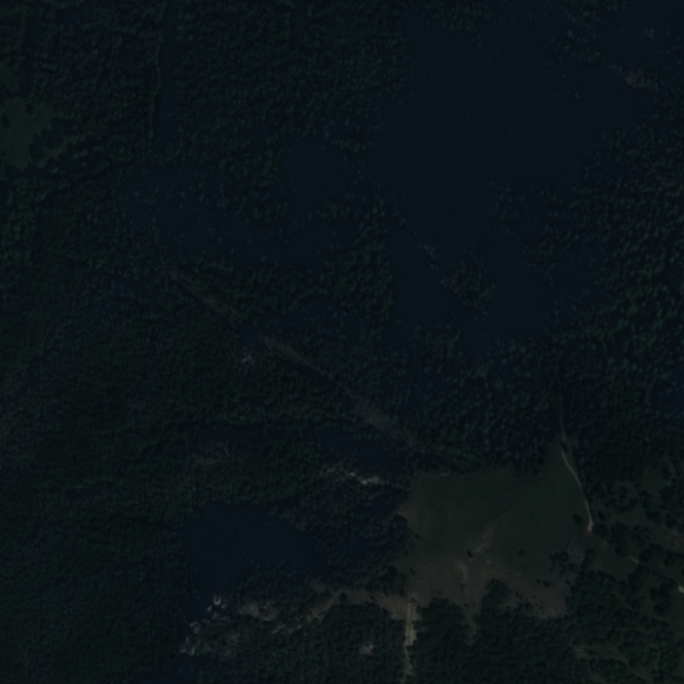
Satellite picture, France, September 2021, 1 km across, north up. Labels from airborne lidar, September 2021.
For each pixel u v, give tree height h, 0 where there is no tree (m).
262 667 11
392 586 19
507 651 15
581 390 22
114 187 19
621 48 16
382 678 9
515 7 15
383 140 15
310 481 10
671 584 10
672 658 12
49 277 16
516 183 19
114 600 18
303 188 18
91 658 15
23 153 0
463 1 20
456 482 0
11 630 17
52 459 22
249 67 22
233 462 10
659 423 21
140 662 10
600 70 10
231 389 18
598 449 27
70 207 20
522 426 14
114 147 18
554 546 0
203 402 16
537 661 9
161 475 16
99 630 17
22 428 17
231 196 26
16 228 19
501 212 14
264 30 27
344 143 35
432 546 0
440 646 20
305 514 12
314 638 11
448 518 0
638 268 31
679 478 7
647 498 15
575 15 12
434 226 16
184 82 24
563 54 20
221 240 26
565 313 19
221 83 22
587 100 19
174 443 14
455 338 20
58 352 10
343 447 9
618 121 15
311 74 24
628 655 15
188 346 19
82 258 23
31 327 19
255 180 24
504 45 15
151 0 16
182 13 18
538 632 16
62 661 19
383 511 14
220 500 11
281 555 11
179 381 20
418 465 12
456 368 21
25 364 16
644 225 38
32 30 7
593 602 19
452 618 8
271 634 13
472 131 11
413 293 16
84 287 13
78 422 23
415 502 0
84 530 16
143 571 11
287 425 13
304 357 13
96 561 17
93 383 20
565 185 16
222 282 22
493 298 9
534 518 0
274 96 27
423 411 29
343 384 16
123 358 19
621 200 40
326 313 18
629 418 22
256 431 15
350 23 25
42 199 20
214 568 18
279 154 30
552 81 24
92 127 18
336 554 17
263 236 21
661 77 18
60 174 17
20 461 15
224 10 22
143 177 18
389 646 14
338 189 24
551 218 34
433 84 16
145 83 23
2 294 16
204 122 18
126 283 9
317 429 14
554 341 21
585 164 15
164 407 18
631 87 15
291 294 24
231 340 11
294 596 12
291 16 12
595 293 23
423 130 26
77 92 21
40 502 19
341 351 24
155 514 18
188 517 14
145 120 25
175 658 19
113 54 20
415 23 29
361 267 31
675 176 27
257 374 14
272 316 16
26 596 16
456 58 20
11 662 19
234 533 14
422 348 18
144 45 21
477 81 20
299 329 18
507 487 0
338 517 8
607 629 16
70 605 18
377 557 15
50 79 19
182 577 13
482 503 0
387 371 22
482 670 19
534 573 0
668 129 29
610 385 22
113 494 17
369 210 28
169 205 14
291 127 32
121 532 17
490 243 16
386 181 19
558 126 18
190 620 16
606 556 0
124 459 13
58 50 25
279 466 10
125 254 15
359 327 16
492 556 0
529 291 21
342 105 24
